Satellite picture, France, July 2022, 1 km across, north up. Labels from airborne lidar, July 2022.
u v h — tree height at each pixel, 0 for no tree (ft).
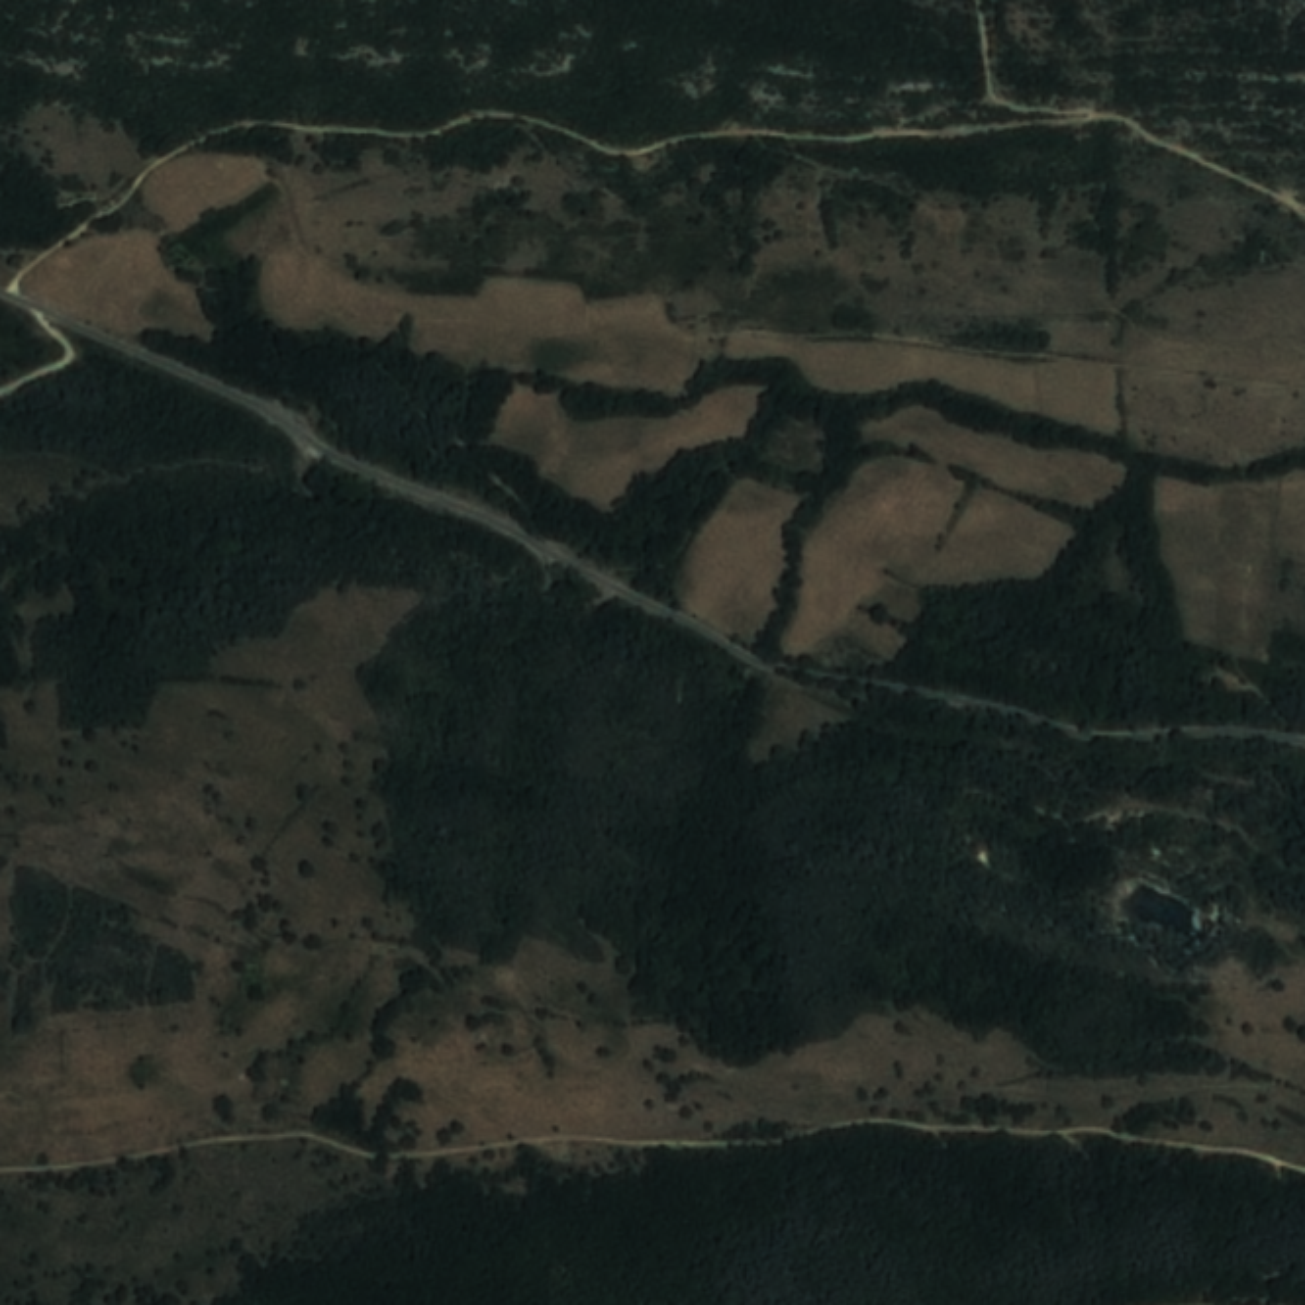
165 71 21
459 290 0
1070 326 0
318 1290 59
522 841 23
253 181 0
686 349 0
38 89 24
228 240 0
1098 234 26
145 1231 0
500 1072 0
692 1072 18
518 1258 56
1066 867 43
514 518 26
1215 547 0
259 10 21
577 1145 0
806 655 28
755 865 37
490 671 23
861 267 0
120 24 20
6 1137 0
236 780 0
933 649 25
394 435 41
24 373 0
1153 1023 19
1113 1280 58
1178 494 0
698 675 26
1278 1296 68
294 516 38
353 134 19
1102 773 22
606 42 22
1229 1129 0
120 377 35
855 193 30
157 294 0
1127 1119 26
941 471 0
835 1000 19
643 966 40
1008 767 31
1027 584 45
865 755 40
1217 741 25
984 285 0
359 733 24
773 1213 41
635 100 23
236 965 23
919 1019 0
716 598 0
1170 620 27
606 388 24
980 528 0
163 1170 33
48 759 0
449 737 31
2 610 59
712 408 0
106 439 22
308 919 0
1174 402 0
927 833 60
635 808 28
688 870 47
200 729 0
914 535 0
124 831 0
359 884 0
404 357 47
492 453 41
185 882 0
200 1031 0
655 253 0
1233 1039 0
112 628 37
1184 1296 53
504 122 24
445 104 25
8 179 27
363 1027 0
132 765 0
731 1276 29
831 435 37
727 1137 21
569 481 0
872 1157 41
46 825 0
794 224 0
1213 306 0
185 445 22
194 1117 0
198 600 25
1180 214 0
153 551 22
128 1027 0
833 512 0
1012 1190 35
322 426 27
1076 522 21
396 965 0
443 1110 0
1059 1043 30
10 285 0
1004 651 21
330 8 19
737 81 19
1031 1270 40
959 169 24
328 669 0
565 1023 0
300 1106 0
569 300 0
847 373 0
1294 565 0
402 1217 21
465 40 22
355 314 0
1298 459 22
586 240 0
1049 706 31
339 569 20
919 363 0
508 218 0
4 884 0
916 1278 41
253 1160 0
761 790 27
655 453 0
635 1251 52
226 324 38
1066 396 0
